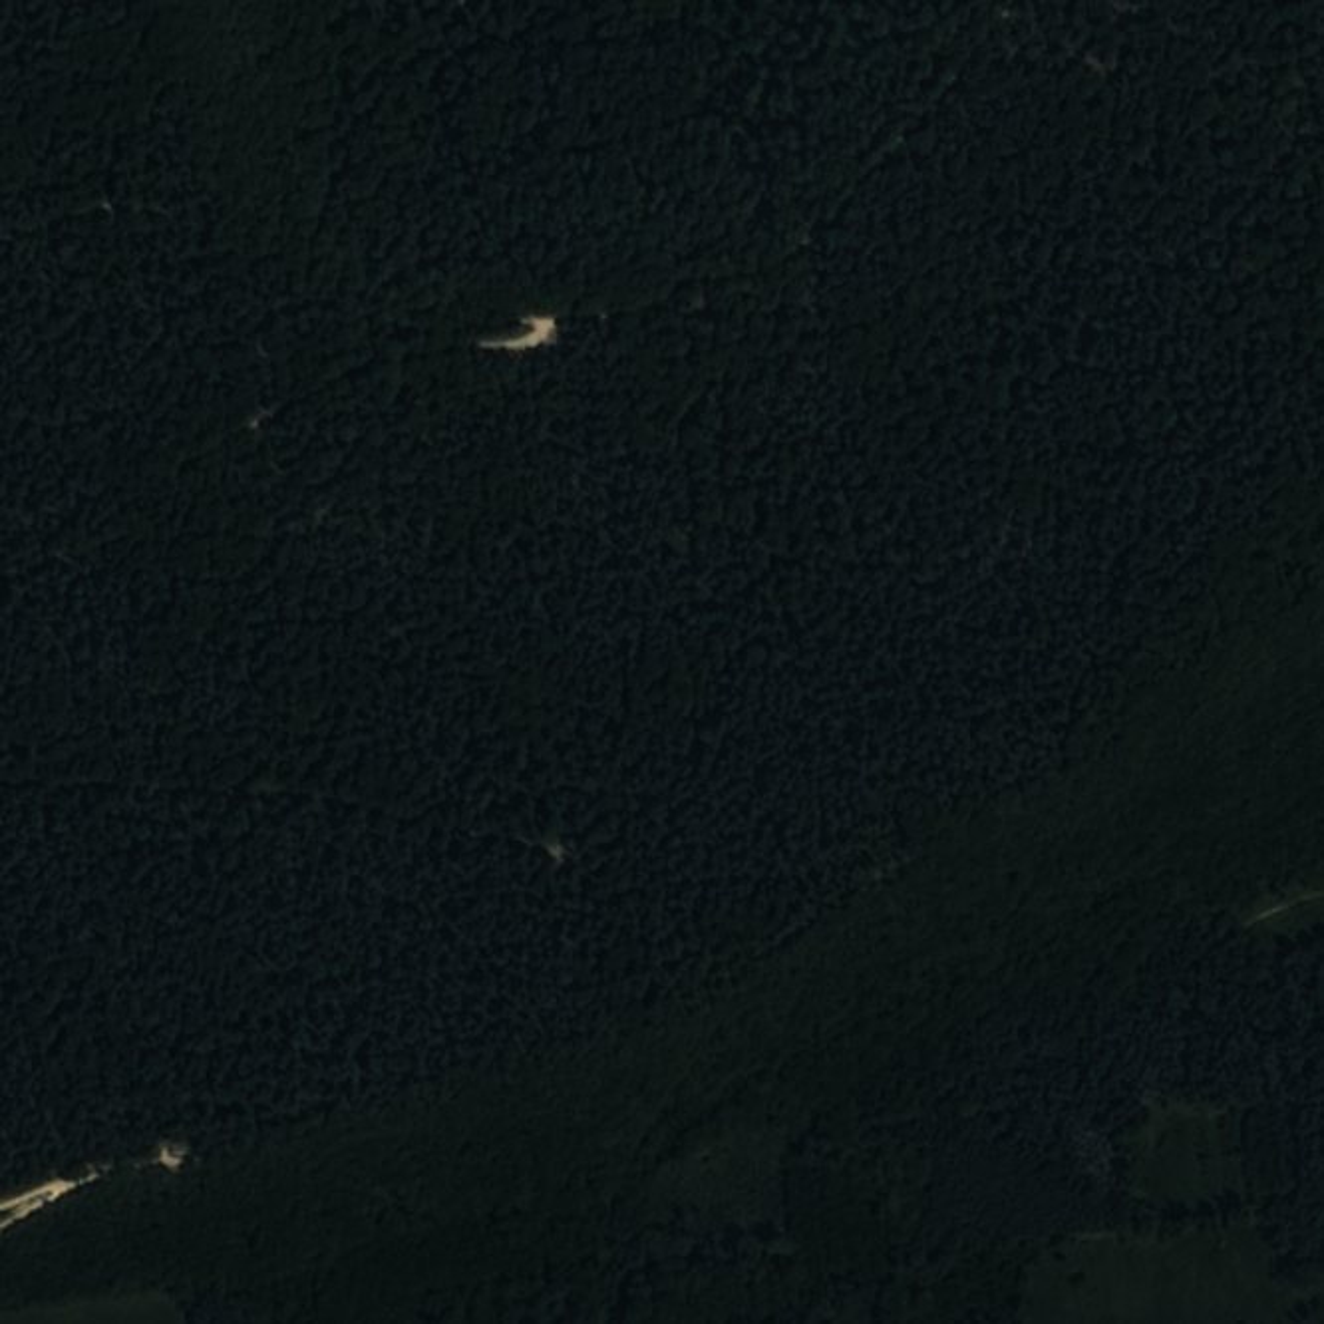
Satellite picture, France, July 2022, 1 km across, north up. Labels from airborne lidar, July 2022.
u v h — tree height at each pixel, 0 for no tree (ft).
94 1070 98
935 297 88
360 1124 55
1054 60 77
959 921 88
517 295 73
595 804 97
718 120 79
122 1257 102
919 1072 101
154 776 96
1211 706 53
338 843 62
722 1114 102
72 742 76
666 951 97
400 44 88
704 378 83
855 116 68
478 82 100
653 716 79
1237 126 85
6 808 86
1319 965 75
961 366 73
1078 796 54
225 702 79
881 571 95
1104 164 91
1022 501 102
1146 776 75
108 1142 68
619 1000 82
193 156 81
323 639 75
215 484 72
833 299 90
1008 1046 104
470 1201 109
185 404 90
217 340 69
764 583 100
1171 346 99
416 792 95
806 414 88
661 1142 79
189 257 31
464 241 85
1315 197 117
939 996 73
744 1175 18
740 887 102
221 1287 57
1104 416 97
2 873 92
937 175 81
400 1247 35
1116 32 82
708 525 92
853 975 81
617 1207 51
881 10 102
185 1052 80
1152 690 65
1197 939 77
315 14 87
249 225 73
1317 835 82
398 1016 52
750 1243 99
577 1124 87
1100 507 102
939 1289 31
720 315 67
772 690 105
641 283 77
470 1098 56
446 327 72
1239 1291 0
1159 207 107
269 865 86
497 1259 42
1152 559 97
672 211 78
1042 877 87
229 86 85
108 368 71
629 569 102
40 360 69
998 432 97
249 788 88
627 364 86
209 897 94
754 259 69
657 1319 110
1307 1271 89
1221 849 80
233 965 72
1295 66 83
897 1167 98
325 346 73
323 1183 87
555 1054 61
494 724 73
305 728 60
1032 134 69
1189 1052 76
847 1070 111
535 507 87
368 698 67
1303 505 84
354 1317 42
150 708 80
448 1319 29
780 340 94
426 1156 96
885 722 92
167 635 94
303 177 95
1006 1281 37
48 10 84
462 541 74
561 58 119
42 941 100
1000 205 93
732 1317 92
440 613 86
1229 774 97
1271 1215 59
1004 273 91
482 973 70
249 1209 84
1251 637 59
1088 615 92
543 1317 75
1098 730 71
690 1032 60
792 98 98
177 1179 54
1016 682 84
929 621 76
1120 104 92
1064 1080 93
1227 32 101
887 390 96
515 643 81
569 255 58
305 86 101
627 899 93
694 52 107
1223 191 64
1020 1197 63
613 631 102
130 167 98
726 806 100
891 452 95
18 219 90
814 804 108
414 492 76
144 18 72
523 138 115
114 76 61
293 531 42
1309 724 106
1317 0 98
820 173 73
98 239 65
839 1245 35
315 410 51
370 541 80
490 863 87
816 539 85
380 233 91
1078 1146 94
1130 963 105
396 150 111
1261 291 85
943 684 103
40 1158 68
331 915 87
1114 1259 0
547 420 67
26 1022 93
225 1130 51
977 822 61
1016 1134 100
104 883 104
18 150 81
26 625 79
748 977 51
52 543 68
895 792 76
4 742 86
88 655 68
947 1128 51
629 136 110
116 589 99
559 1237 39
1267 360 89
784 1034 79
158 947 82
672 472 92
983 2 73
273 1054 67
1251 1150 37
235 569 66
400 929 95
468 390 65
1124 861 70
